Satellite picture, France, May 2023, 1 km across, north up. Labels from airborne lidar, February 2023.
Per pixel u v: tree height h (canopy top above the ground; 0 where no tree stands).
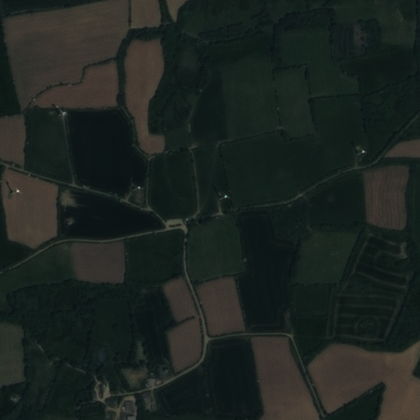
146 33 9
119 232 0
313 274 0
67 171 0
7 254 0
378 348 13
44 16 0
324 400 0
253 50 0
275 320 0
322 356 0
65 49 0
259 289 0
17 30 0
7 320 13
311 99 7
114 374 0
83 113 0
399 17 0
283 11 0
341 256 0
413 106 0
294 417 0
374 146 0
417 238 0
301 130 0
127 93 0
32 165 0
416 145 0
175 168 0
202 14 0
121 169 0
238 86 0
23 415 12
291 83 0
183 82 0
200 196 0
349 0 0
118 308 0
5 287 0
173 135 0
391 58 0
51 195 0
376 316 0
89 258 0
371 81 0
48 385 0
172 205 0
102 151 0
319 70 0
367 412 0
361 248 0
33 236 0
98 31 0
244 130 0
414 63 0
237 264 0
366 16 0
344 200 0
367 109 6
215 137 0
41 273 0
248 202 0
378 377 0
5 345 0
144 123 0
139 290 8
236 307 0
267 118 0
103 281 0
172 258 0
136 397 15
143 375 0
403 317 10
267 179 0
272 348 0
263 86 0
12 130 0
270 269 0
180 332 0
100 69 0
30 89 0
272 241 0
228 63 0
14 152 0
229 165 0
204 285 0
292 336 0
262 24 8
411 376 0
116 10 0
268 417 0
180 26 7
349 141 0
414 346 0
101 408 11
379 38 9
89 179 0
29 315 7
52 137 0
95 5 0
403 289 0
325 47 0
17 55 0
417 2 8
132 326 13
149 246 0
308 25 10
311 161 0
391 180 0
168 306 7
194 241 0
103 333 0
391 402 0
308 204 0
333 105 0
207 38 8
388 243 0
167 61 9
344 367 0
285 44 0
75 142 0
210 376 0
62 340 0
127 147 0
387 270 0
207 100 0
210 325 0
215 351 0
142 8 0
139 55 0
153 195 0
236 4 0
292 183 0
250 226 0
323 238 0
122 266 0
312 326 0
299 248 10
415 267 12
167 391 0
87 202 0
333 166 0
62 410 0
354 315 0
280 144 0
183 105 0
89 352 8
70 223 0
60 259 0
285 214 0
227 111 0
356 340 0
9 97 0
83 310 13
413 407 0
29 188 0
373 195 0
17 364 0
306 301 0
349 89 0
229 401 0
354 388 0
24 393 9
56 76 0
